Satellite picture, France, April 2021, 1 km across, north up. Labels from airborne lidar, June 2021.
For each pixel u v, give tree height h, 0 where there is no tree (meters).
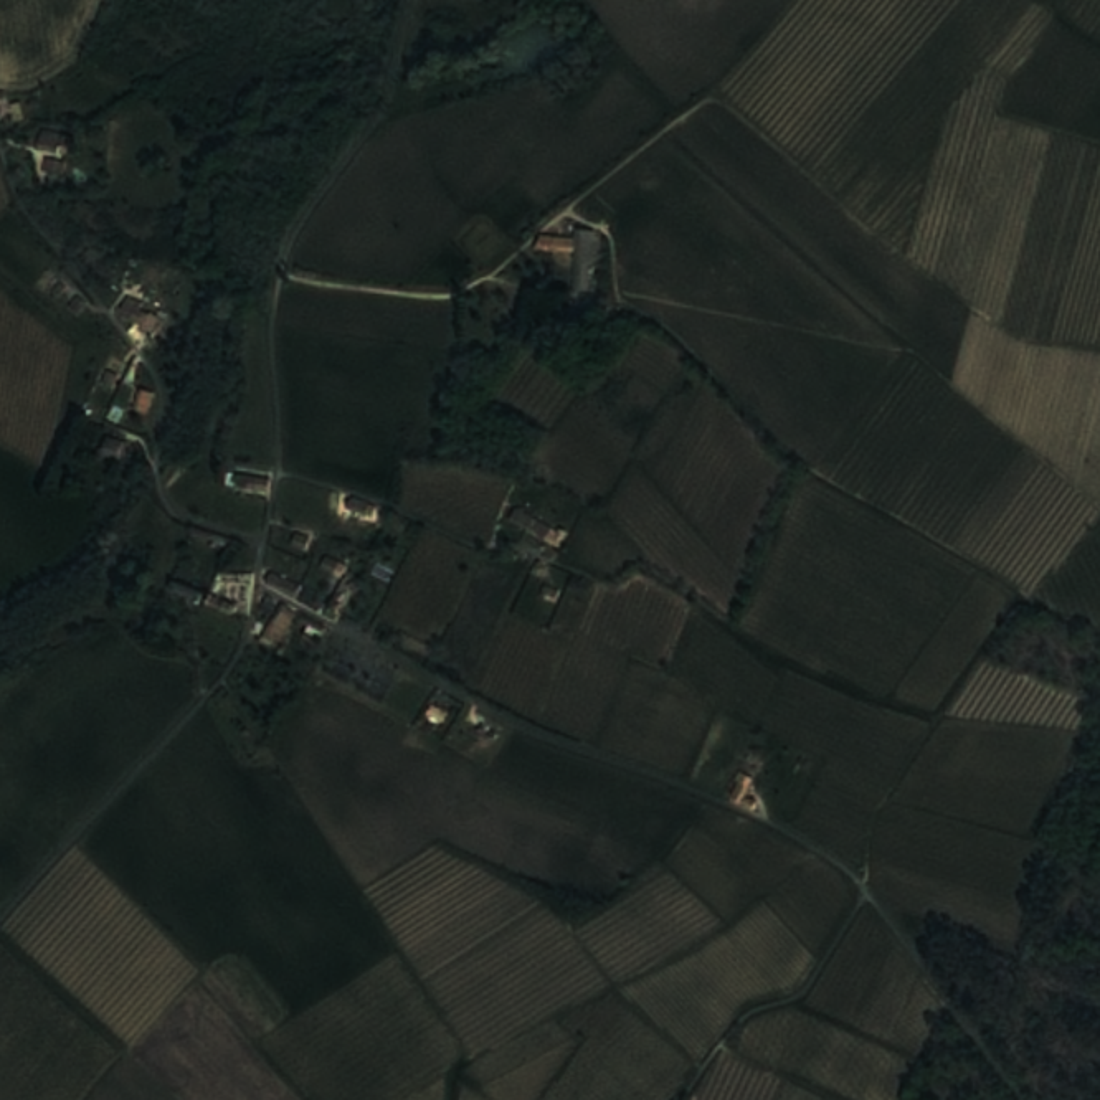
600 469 0
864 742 0
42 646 19
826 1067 0
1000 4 0
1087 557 0
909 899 0
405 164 0
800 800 0
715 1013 0
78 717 0
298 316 0
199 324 14
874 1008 0
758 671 0
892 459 0
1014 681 0
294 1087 0
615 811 0
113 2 8
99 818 0
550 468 0
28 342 0
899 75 0
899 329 0
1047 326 0
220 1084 0
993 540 0
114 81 0
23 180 9
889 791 0
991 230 0
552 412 0
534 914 0
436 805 0
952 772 0
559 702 0
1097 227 0
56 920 0
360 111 13
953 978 26
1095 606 0
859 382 0
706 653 0
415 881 0
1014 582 0
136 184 0
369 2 19
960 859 0
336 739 0
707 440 0
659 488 0
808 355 0
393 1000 0
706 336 0
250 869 0
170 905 0
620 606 0
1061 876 24
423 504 0
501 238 0
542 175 0
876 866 0
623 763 0
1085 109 0
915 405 0
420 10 0
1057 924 25
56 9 0
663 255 0
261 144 23
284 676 7
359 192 0
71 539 0
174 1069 0
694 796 0
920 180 0
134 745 0
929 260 0
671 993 0
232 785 0
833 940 0
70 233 7
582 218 0
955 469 0
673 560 0
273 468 0
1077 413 0
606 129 0
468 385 19
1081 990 17
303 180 16
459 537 0
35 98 6
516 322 11
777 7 0
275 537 0
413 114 0
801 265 0
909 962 0
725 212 0
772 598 0
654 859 0
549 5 23
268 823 0
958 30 0
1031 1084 11
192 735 0
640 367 0
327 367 0
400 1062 0
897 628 0
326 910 0
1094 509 0
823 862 0
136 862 0
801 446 0
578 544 0
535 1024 0
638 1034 0
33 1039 0
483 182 0
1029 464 0
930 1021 0
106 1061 0
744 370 0
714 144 0
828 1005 0
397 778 0
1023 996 13
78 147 14
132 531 0
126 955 0
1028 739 0
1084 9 0
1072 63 0
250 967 0
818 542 0
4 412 0
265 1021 0
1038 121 0
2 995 0
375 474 0
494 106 0
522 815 0
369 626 11
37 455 0
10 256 0
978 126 0
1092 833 23
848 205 0
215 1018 0
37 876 0
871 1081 0
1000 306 0
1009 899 0
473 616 0
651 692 0
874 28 0
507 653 0
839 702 0
